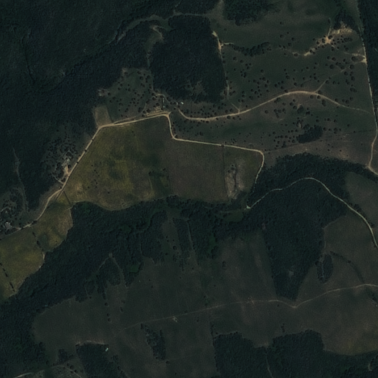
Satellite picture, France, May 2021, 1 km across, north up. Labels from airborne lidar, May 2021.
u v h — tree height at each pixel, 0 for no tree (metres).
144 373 0
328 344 0
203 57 6
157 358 6
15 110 9
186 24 11
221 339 10
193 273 0
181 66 7
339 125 0
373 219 0
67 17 7
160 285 0
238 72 0
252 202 11
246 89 0
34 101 16
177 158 0
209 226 17
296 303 0
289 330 0
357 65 0
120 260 7
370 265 0
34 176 9
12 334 7
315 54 6
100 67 8
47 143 9
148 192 0
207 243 9
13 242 0
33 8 7
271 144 0
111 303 0
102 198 0
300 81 0
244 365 10
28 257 0
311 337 5
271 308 0
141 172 0
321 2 0
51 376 0
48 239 0
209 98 7
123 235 10
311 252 5
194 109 0
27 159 9
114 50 8
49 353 0
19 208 9
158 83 10
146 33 7
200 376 0
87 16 7
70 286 9
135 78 0
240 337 14
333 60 7
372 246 0
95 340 0
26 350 7
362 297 0
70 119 7
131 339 0
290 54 0
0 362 7
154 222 7
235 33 0
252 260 0
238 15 6
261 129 0
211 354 0
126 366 0
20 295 11
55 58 8
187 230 5
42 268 9
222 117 0
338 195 6
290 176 17
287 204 6
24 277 0
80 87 10
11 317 11
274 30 0
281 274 6
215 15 0
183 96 6
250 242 0
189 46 6
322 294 0
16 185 6
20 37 9
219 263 0
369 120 0
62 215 0
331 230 0
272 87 0
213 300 0
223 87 7
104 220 9
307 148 0
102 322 0
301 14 0
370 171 8
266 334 0
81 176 0
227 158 0
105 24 9
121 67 6
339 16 7
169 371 0
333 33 0
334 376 9
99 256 11
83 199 0
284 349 6
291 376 7
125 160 0
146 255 7
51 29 9
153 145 0
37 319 0
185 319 0
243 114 0
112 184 0
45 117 8
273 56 0
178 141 0
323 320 0
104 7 8
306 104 0
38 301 13
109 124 0
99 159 0
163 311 0
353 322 0
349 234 0
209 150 0
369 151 0
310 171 10
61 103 7
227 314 0
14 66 6
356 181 0
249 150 0
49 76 6
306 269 10
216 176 0
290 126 0
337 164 10
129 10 7
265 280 0
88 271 9
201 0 9
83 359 7
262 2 9
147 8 7
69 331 0
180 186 0
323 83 0
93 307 0
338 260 0
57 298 9
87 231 8
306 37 0
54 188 0
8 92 8
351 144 0
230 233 12
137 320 0
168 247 0
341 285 0
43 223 0
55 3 7
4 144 6
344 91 0
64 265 15
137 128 0
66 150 8
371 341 0
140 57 6
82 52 6
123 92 0
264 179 10
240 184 0
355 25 10
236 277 0
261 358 10
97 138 0
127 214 9
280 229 7
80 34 7
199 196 0
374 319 0
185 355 0
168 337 0
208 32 10
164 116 0
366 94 0
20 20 6
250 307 0
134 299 0
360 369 9
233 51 0
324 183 7
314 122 0
